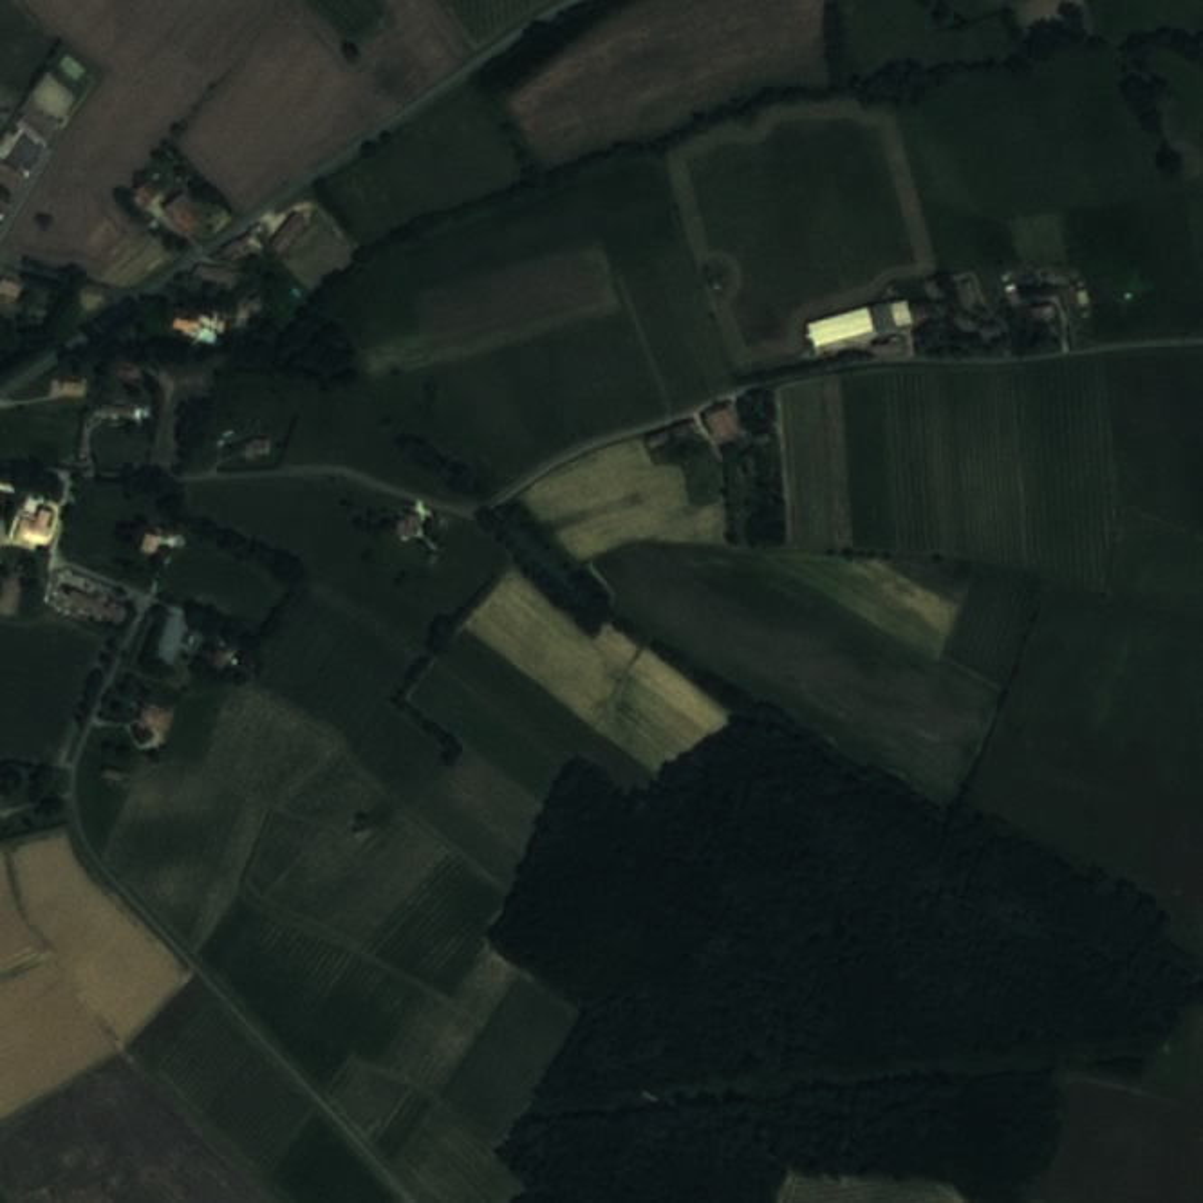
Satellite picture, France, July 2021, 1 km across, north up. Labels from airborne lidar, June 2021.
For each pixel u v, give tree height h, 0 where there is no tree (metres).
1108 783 0
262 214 0
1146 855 0
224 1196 0
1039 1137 7
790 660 0
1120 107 0
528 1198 9
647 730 0
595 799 18
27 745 0
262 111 0
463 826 0
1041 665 0
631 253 0
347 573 0
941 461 0
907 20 0
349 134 0
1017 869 15
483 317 0
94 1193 0
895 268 0
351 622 0
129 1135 0
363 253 7
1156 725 0
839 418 0
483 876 0
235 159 0
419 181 0
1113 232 0
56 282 11
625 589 0
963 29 9
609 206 0
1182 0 0
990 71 10
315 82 0
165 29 0
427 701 0
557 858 20
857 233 0
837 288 0
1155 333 0
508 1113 0
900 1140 15
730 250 0
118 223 0
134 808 0
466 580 0
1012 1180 6
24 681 0
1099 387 0
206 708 0
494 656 0
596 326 0
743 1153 19
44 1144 0
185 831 0
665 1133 19
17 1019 0
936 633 0
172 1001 0
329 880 0
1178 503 0
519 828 0
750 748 20
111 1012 0
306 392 0
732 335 0
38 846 0
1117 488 0
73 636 0
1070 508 0
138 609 12
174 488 8
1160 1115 0
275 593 0
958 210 0
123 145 0
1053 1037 15
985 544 0
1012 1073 7
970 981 17
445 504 0
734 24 0
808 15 0
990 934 16
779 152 0
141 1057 0
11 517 12
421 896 0
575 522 0
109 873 0
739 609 0
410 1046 0
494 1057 0
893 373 0
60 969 0
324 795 0
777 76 0
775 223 0
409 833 0
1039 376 0
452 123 0
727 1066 15
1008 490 0
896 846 23
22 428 0
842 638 0
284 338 12
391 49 0
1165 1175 0
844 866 25
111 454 0
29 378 0
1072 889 13
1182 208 0
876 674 0
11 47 0
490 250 0
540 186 8
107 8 0
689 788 21
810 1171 14
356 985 0
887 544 0
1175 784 0
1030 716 0
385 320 0
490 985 0
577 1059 10
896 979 21
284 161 0
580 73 0
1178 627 0
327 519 0
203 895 0
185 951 0
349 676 0
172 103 0
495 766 0
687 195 0
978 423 0
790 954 23
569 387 0
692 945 19
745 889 25
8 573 9
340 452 0
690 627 0
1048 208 0
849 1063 15
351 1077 0
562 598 12
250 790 0
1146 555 0
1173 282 0
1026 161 0
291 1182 0
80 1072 0
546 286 0
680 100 0
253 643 16
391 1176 0
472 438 0
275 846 0
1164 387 0
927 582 0
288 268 0
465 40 0
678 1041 16
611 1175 16
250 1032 0
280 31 0
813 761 21
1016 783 0
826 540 0
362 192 0
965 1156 8
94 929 0
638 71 0
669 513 0
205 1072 0
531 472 0
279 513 0
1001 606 0
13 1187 0
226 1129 0
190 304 9
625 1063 17
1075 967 18
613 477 0
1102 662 0
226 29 0
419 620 0
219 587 0
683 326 0
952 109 0
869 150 0
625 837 22
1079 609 0
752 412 7
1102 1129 0
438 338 0
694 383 0
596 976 14
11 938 0
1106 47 7
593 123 0
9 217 0
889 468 0
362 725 0
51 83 0
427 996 0
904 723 0
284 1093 0
